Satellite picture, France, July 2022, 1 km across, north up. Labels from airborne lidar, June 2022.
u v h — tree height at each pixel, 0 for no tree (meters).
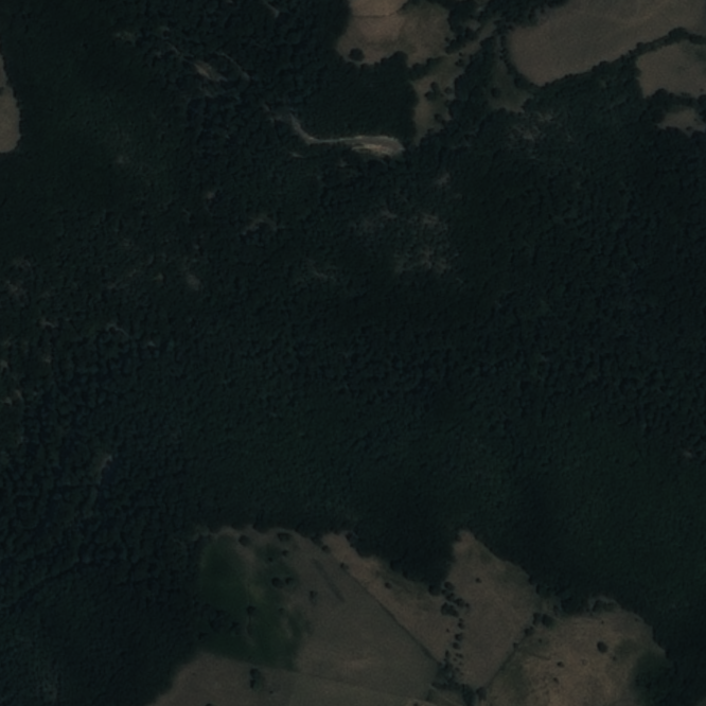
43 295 19
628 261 30
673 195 28
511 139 8
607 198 26
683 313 26
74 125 9
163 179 17
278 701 0
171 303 20
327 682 0
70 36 25
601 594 12
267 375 21
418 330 19
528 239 22
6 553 17
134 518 20
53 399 31
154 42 30
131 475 24
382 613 0
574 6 0
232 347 24
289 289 22
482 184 22
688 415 20
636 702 0
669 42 13
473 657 0
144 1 34
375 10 0
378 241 7
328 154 12
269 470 11
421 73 15
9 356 17
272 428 15
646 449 13
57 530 27
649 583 15
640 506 14
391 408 20
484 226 24
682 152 23
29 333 26
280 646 0
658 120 17
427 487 19
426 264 8
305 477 9
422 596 0
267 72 34
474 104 18
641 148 21
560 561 18
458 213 16
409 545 22
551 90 7
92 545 12
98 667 16
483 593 0
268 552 0
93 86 15
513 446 19
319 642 0
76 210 15
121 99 14
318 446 15
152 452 16
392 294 19
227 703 0
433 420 17
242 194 15
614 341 28
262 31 37
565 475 13
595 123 17
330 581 0
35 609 21
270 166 19
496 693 0
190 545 11
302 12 24
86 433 25
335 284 9
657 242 24
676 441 21
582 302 23
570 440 14
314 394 19
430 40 0
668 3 0
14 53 20
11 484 31
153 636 20
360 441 21
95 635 16
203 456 16
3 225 28
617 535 13
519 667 0
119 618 20
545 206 23
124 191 26
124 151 9
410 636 0
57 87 15
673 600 11
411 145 19
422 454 17
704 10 0
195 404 13
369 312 22
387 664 0
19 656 13
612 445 16
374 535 13
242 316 18
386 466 13
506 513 14
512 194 14
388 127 24
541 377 7
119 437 18
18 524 32
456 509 14
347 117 16
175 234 26
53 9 29
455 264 13
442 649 0
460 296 17
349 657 0
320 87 22
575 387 24
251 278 19
